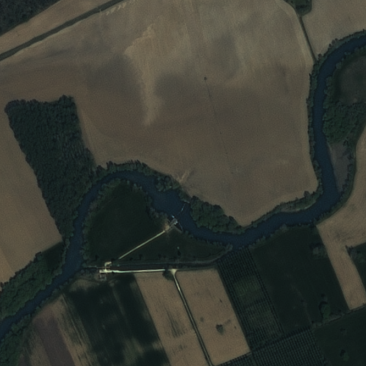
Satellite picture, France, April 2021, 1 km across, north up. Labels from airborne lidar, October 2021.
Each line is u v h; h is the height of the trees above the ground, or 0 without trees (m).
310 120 8
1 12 23
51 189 33
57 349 0
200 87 0
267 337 17
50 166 36
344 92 0
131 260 7
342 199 15
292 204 9
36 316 0
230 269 20
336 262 0
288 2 11
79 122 25
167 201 0
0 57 0
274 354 20
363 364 0
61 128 18
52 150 38
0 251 0
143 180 0
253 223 8
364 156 0
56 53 0
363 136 0
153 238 0
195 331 0
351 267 0
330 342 0
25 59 0
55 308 0
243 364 21
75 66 0
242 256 21
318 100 0
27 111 32
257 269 17
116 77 0
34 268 16
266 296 19
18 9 19
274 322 16
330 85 15
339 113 14
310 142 9
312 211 0
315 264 0
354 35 6
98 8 0
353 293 0
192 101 0
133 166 26
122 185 0
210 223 12
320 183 6
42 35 0
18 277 18
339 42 14
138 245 0
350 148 14
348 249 14
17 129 34
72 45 0
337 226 0
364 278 0
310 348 22
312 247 0
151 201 20
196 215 19
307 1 7
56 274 13
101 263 0
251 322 17
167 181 11
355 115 14
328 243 0
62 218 35
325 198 0
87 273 9
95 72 0
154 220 26
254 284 19
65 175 33
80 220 0
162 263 0
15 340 19
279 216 0
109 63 0
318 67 9
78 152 36
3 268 0
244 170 0
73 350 0
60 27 0
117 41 0
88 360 0
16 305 14
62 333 0
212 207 14
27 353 0
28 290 17
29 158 29
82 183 35
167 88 0
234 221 21
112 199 0
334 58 0
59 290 6
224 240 0
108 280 0
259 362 19
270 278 0
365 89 0
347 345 0
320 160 0
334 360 0
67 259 0
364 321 0
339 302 0
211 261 0
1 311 16
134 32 0
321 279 0
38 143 39
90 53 0
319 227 0
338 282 0
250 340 14
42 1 23
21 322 15
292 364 25
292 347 22
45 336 0
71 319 0
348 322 0
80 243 0
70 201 29
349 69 0
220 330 17
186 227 0
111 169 24
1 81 0
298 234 0
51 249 0
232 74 0
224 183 0
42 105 15
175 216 0
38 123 34
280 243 0
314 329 9
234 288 19
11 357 20
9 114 21
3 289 17
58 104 10
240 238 0
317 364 26
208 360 14
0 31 19
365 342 0
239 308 17
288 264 0
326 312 20
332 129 20
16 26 8
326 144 0
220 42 0
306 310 0
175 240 0
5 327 0
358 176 0
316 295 0
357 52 14
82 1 0
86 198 0
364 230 0
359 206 0
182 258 18
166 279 15
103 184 11
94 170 37
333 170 0
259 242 18
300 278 0
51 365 0
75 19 0
